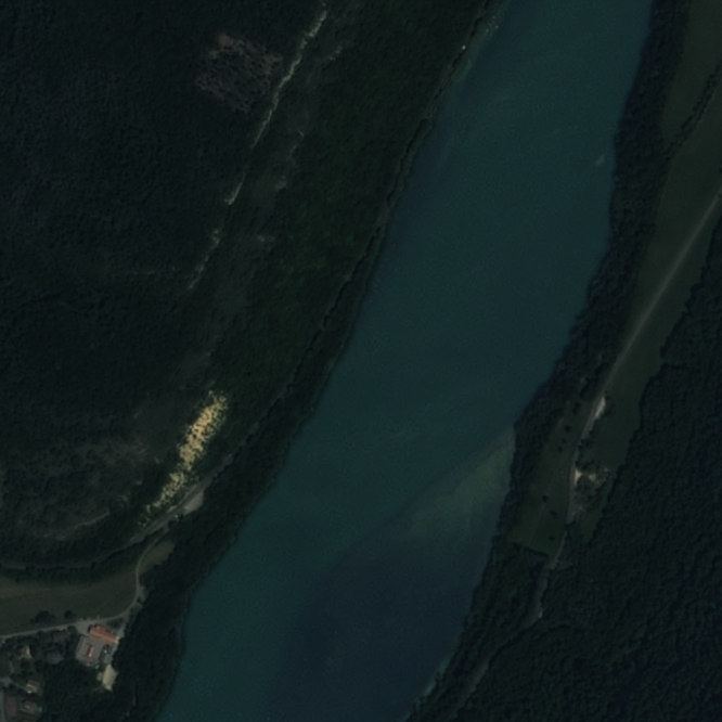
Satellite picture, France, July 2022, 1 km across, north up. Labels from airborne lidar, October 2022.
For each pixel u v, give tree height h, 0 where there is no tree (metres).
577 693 20
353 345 0
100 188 7
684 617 15
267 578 0
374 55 13
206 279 10
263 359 20
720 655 18
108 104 19
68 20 17
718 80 11
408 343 0
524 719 13
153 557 0
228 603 0
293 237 16
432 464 0
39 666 13
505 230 0
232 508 9
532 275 0
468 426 0
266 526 0
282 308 12
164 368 11
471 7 15
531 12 0
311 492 0
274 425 13
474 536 0
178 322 13
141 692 17
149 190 10
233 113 15
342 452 0
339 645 0
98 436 9
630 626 15
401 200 0
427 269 0
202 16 19
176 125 16
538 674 16
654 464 17
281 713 0
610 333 18
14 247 9
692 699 22
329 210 16
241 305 5
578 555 15
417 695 0
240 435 12
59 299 21
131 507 7
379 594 0
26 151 14
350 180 10
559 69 0
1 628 0
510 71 0
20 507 8
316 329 12
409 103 14
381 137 11
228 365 21
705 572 20
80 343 13
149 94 13
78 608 0
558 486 0
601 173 0
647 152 23
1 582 0
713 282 17
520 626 19
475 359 0
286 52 8
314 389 13
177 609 23
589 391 15
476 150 0
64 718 8
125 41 16
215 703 0
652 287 0
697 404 18
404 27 14
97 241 13
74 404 10
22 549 8
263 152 13
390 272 0
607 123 0
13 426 15
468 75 0
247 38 12
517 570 9
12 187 15
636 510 19
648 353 0
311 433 0
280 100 7
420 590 0
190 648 0
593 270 0
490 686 7
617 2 0
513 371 0
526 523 0
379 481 0
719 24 0
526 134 0
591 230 0
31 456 6
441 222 0
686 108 0
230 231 15
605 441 0
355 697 0
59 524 6
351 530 0
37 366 17
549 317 0
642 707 18
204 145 11
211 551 21
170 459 10
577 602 17
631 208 9
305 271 17
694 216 0
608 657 17
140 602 8
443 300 0
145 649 22
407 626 0
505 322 0
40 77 24
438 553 0
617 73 0
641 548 18
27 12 19
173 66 21
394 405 0
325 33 14
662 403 19
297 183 20
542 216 0
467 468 0
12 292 15
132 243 14
